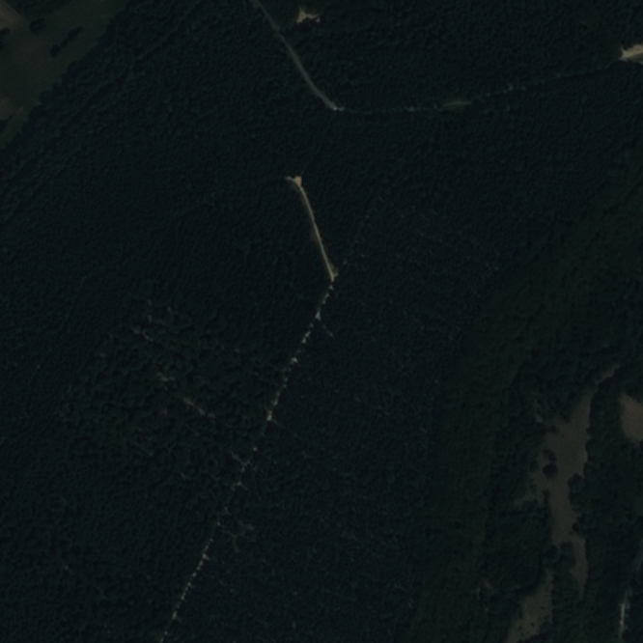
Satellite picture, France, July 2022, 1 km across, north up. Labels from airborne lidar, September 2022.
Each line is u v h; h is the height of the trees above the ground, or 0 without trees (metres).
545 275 17
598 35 21
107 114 19
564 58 24
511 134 21
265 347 21
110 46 25
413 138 27
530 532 10
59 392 19
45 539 24
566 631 12
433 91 35
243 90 27
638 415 0
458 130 6
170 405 15
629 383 17
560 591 11
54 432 25
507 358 20
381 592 19
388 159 23
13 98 0
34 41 0
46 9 18
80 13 0
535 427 21
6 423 17
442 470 23
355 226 26
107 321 23
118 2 0
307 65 13
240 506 23
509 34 36
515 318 25
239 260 21
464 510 24
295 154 25
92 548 30
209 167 18
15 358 20
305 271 6
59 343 19
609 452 24
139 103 13
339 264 23
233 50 25
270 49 27
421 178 23
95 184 24
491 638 17
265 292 18
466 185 27
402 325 23
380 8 26
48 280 12
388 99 26
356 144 23
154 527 36
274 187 24
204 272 19
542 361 27
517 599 19
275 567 20
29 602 24
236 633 23
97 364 23
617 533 20
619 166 22
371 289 23
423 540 29
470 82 24
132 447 23
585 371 22
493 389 26
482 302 23
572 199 21
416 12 22
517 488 17
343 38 15
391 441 20
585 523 19
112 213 22
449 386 24
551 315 28
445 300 21
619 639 12
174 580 21
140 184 19
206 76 21
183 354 24
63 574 24
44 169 19
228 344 27
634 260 29
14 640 35
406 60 26
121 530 34
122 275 25
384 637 21
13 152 29
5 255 19
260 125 16
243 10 25
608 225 24
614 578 22
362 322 18
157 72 18
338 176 24
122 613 21
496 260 19
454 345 16
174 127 22
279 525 22
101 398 25
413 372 20
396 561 20
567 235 26
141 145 22
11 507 29
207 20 19
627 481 31
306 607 18
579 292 24
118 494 34
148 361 18
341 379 20
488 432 25
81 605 30
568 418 17
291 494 22
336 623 22
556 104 22
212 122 24
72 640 29
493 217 24
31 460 29
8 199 23
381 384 19
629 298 23
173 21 25
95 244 20
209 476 16
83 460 34
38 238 21
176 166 25
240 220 18
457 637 16
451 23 33
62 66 0
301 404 18
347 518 18
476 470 24
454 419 20
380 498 22
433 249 21
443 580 28
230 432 23
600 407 27
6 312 16
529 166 24
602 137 21
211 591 19
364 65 12
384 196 22
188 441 17
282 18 21
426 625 26
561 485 0
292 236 19
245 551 21
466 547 23
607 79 28
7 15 0
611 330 23
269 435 23
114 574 21
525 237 21
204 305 20
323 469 23
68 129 21
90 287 23
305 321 23
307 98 16
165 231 21
